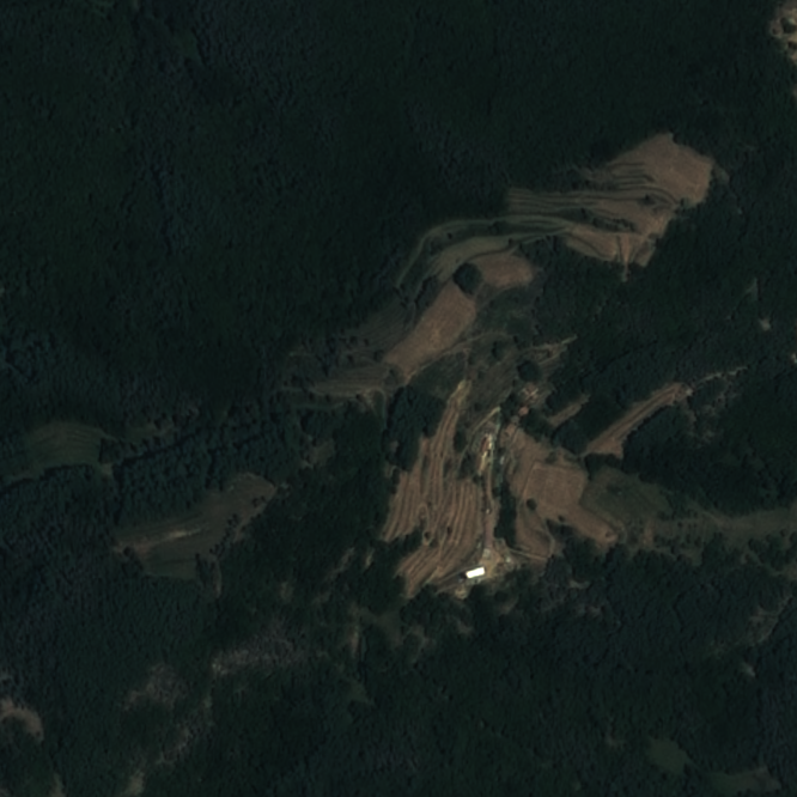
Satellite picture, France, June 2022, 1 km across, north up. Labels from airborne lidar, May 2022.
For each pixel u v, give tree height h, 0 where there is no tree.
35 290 14
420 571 0
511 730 23
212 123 25
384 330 0
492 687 21
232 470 33
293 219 22
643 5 18
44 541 24
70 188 24
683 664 16
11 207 17
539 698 20
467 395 0
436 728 18
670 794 22
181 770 21
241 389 25
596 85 17
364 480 19
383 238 13
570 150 20
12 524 39
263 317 17
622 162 0
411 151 14
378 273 8
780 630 23
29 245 16
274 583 19
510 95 23
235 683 12
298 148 20
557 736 16
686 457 20
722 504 13
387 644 8
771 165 12
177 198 35
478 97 21
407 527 0
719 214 15
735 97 8
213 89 40
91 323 27
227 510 0
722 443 15
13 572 16
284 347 24
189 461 31
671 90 19
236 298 17
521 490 0
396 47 22
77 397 35
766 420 22
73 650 25
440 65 18
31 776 7
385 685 21
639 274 12
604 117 20
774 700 21
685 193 0
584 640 31
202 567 14
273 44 21
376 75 17
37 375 37
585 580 15
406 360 0
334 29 18
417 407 30
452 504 0
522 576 7
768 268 20
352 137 16
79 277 18
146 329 21
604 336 17
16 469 38
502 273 0
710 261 18
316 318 19
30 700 13
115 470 12
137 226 27
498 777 14
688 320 14
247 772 28
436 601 13
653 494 0
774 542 13
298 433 21
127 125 30
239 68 28
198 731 6
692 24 19
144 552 0
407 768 15
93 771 16
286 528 17
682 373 16
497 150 21
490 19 24
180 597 22
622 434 0
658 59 19
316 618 13
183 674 9
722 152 15
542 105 21
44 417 19
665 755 0
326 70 17
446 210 15
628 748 11
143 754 14
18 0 12
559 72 22
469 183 22
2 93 12
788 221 18
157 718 13
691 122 19
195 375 21
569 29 14
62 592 17
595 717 18
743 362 16
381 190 12
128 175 21
